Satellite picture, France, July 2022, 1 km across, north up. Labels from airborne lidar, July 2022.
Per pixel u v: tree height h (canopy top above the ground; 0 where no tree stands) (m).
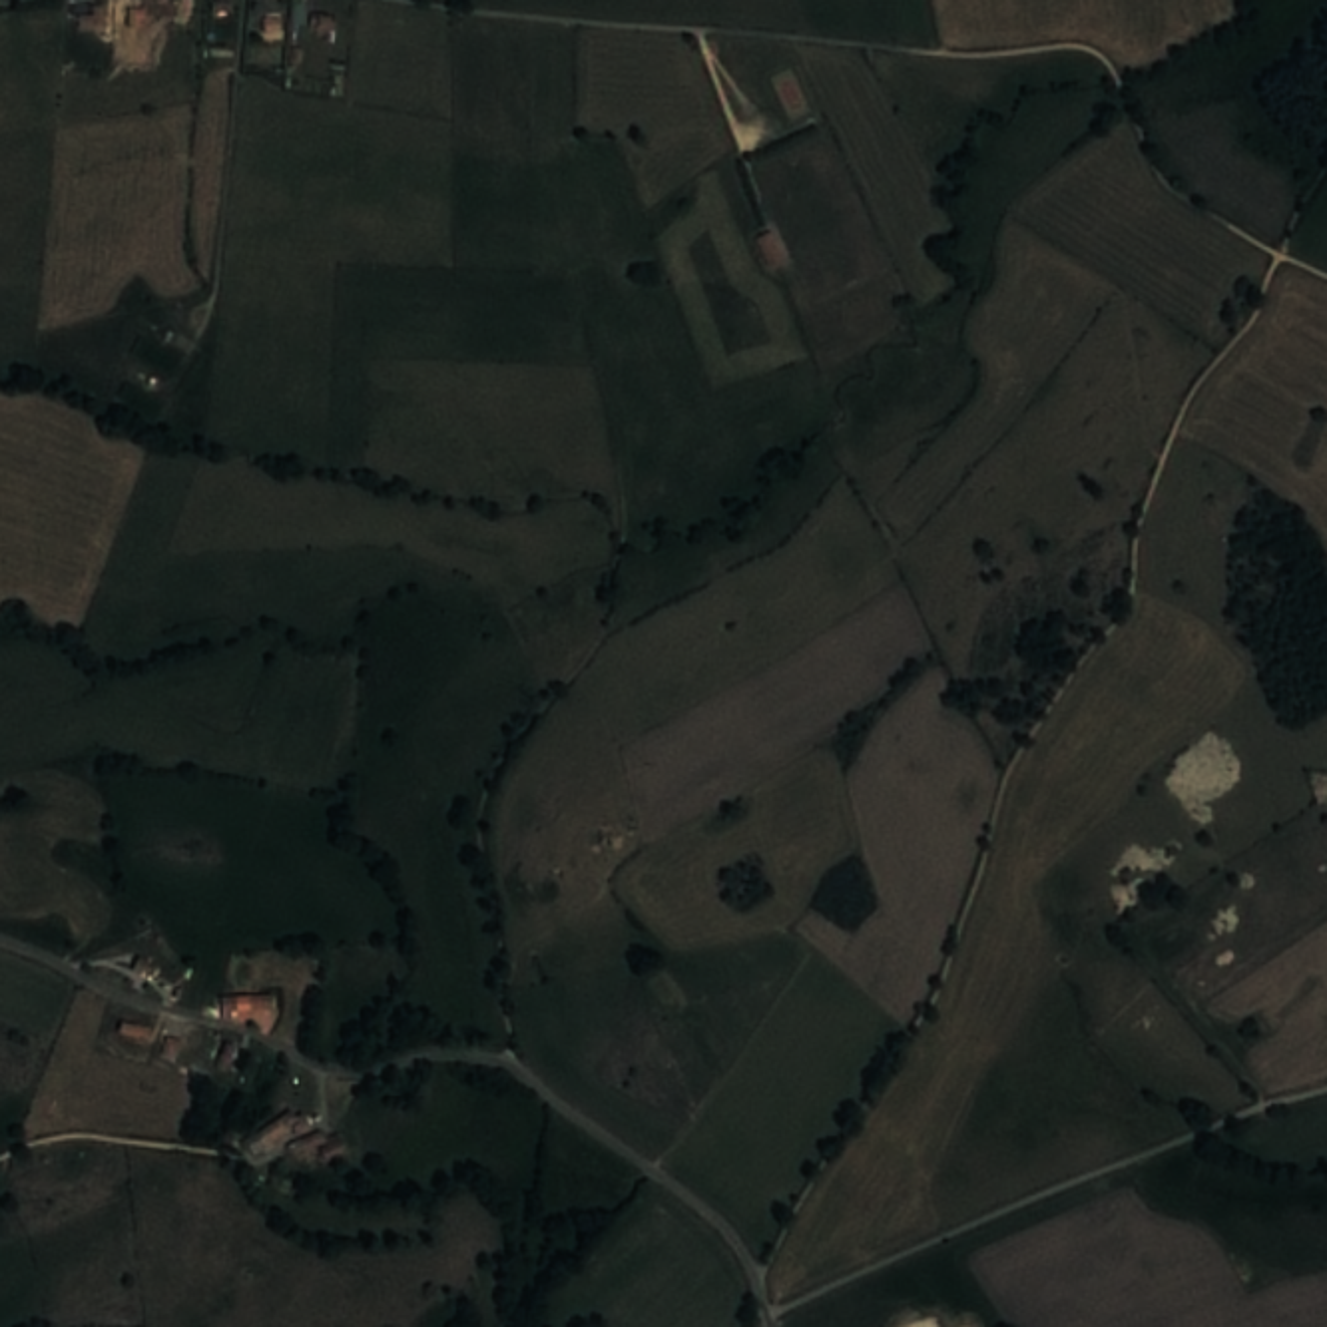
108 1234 0
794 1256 0
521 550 0
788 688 0
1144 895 16
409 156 0
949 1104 0
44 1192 0
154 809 0
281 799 0
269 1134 0
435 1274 0
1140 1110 0
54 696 0
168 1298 0
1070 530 0
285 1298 0
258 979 0
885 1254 0
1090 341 0
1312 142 22
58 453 0
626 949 0
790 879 0
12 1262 0
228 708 0
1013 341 0
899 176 0
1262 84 15
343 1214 13
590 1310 0
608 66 0
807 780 0
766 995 0
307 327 0
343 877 0
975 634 0
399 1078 14
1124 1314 0
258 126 0
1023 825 0
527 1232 7
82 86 0
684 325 0
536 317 0
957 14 0
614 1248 0
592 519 0
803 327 0
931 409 0
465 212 0
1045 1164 0
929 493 0
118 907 0
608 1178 0
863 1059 0
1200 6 0
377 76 0
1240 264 0
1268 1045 0
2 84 0
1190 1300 0
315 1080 0
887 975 0
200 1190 0
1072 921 0
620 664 0
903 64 0
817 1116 0
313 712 0
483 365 0
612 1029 0
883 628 0
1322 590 15
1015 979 0
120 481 0
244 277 0
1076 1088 0
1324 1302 0
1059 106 0
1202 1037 0
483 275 0
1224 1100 0
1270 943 0
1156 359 0
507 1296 14
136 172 0
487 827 13
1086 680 0
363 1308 0
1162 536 0
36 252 0
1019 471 0
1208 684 0
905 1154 0
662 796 0
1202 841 10
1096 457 0
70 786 0
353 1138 0
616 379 0
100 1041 0
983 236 0
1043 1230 0
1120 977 0
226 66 0
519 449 0
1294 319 0
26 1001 0
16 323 0
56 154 0
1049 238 0
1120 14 0
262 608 0
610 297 0
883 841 0
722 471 0
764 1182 0
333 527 0
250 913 0
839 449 0
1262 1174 20
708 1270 0
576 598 0
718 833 0
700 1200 0
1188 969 0
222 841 0
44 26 0
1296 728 9
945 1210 0
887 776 0
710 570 0
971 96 0
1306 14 0
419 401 0
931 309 0
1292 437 0
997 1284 0
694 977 0
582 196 0
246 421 0
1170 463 0
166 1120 0
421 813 0
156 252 0
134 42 0
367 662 6
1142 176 0
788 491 0
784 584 0
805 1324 0
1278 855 0
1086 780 0
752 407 0
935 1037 0
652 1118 0
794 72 0
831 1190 0
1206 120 0
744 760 0
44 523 0
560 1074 0
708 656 0
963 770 0
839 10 0
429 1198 22
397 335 0
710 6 0
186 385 0
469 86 0
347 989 0
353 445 0
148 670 15
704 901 0
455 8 14
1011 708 10
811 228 0
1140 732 0
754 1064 0
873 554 0
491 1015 0
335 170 0
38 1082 0
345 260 0
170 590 0
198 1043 0
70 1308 0
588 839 0
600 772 0
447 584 0
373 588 0
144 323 0
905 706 0
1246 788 0
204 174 0
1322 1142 0
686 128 0
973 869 0
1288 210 0
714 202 0
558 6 0
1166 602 0
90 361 0
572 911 0
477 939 0
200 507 0
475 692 0
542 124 0
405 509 0
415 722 0
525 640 0
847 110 0
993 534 0
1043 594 0
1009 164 0
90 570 0
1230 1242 0
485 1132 0
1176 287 0
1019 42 0
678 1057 0
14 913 0
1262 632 9
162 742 0
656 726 0
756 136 0
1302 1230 0
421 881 0
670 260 0
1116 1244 0
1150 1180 0
